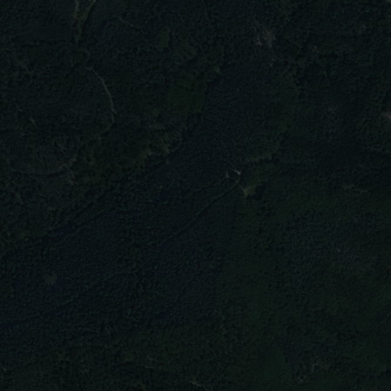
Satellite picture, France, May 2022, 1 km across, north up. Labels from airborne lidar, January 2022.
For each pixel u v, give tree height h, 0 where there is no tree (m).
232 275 25
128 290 28
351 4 26
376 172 15
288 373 10
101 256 23
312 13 24
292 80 24
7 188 7
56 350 20
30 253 30
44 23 15
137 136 23
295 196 16
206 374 11
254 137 14
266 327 25
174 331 18
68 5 11
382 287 18
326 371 11
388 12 26
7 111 18
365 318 15
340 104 14
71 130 19
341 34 12
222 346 15
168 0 25
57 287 0
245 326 17
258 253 25
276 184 22
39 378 18
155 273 29
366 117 22
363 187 19
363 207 9
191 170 20
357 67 26
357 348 19
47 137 13
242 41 22
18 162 21
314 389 11
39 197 33
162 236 17
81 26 8
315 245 14
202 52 18
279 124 26
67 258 22
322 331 18
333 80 20
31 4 21
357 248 18
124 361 19
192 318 18
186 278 23
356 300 18
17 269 34
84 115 14
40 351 20
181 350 11
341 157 15
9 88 19
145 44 20
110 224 20
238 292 23
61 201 19
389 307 20
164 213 18
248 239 26
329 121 13
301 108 30
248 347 14
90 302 24
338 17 23
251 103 22
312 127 18
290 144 27
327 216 14
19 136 17
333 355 13
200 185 13
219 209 16
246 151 16
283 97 19
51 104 20
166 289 26
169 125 12
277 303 30
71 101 24
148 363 12
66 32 16
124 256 27
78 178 15
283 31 26
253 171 17
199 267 24
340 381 14
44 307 30
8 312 26
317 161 21
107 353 19
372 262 20
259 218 28
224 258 22
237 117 23
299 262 11
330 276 15
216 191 13
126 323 23
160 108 29
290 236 12
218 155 23
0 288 36
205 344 20
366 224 14
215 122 26
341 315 12
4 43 10
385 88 24
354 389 12
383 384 17
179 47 25
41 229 28
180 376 15
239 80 22
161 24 16
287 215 11
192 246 23
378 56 23
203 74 20
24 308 26
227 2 20
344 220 11
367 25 20
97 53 23
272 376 10
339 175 10
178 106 23
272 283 26
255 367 13
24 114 16
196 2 33
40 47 22
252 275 24
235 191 12
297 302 18
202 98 31
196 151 23
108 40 20
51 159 23
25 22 15
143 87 23
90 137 22
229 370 14
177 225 16
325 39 17
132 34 25
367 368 16
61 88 19
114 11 22
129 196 20
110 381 18
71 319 25
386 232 24
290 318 23
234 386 17
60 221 25
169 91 31
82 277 25
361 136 16
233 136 17
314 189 16
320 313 9
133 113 21
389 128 12
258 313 28
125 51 17
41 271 25
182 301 22
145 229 29
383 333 15
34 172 17
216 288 25
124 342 11
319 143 18
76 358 20
